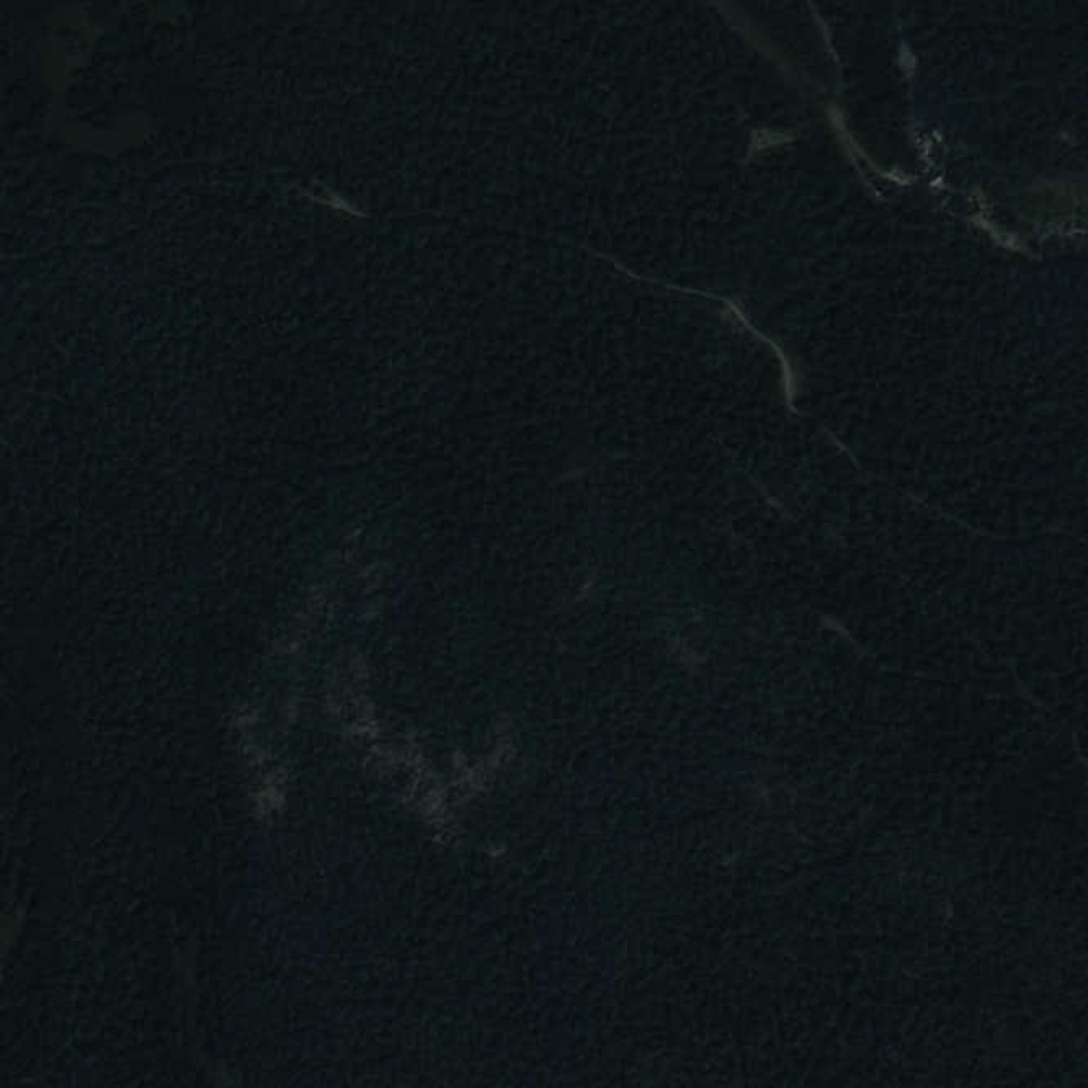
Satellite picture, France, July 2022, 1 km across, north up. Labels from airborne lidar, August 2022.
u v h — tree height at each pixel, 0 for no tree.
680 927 19
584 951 25
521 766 10
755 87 22
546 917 17
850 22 16
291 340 19
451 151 25
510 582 24
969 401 20
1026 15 17
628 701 23
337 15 24
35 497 21
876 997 30
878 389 22
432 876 20
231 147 23
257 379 21
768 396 17
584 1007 27
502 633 16
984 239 20
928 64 33
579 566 19
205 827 23
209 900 17
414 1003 15
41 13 18
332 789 15
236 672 19
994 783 19
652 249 21
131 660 21
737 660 15
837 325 25
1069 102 9
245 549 30
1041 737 23
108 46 11
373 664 12
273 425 20
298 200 15
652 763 15
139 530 19
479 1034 24
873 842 20
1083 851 7
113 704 15
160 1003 23
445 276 28
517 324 21
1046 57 22
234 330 15
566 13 17
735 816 17
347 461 26
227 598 14
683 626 8
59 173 7
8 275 10
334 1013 27
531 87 19
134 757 27
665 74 15
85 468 16
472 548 21
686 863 22
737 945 22
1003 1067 23
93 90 15
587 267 25
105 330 9
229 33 21
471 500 25
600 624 18
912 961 27
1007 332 23
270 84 22
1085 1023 18
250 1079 13
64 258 17
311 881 25
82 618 22
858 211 13
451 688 14
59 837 18
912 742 19
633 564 13
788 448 19
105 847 22
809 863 16
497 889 14
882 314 12
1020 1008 21
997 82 26
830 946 24
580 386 15
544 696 21
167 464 24
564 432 21
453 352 21
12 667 20
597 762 20
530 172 25
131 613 18
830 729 22
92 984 18
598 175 26
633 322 23
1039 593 19
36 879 17
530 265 20
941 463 25
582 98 16
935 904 15
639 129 20
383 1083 18
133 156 15
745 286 8
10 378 14
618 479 13
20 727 13
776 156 9
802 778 21
